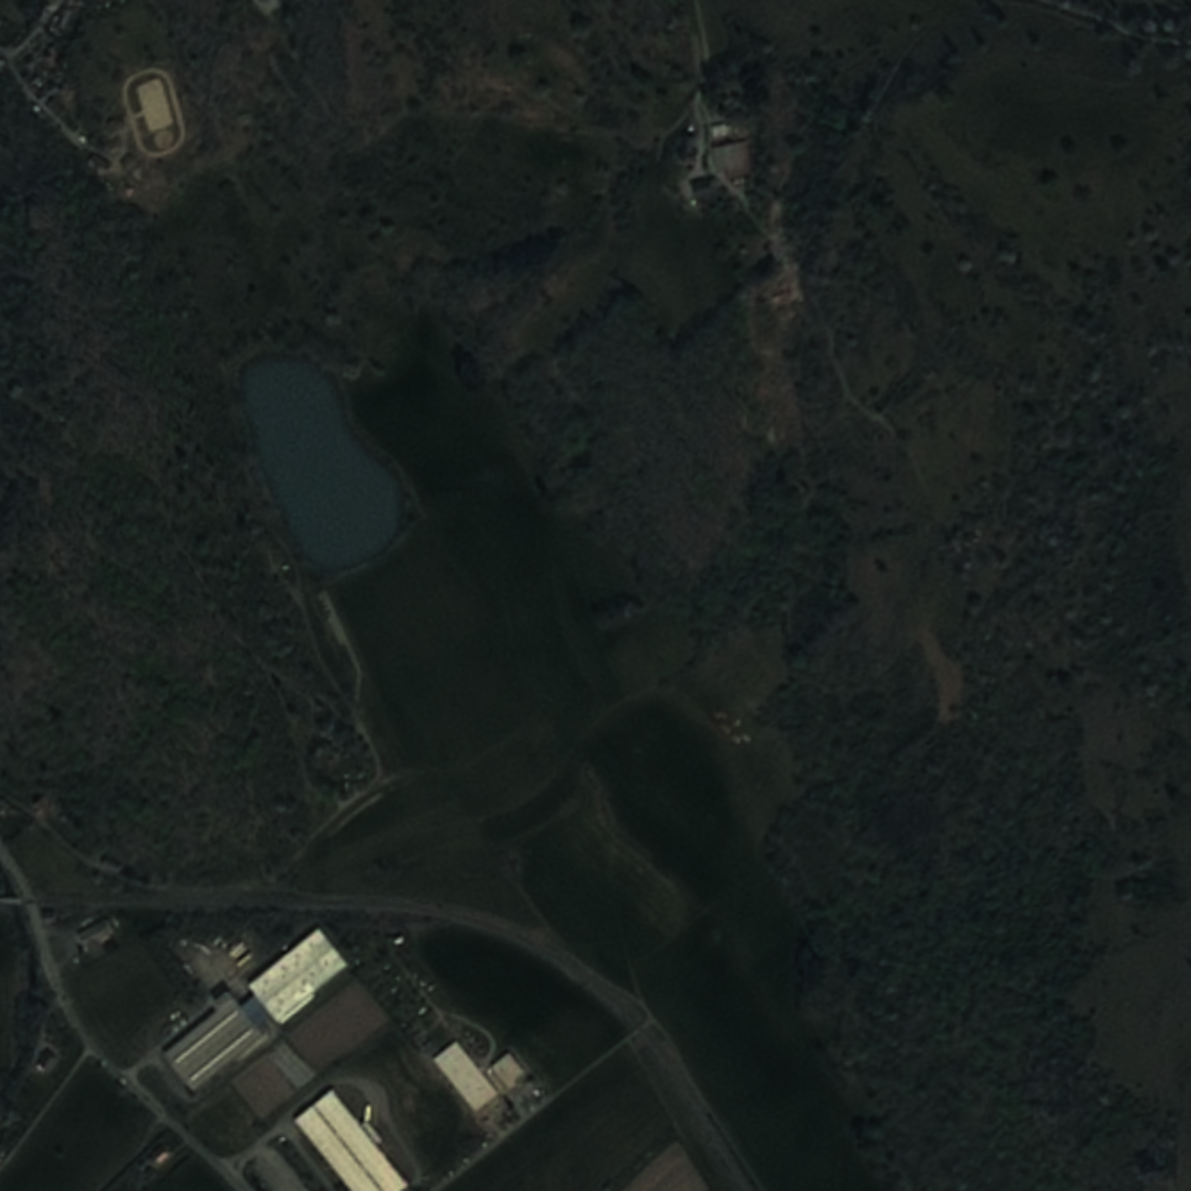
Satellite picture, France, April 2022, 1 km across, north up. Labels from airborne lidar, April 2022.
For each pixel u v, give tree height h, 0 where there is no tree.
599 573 0
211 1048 0
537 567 0
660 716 0
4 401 7
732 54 7
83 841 11
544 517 0
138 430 6
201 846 15
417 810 0
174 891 9
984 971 10
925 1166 14
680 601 17
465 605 0
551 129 0
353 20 10
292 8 6
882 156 0
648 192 0
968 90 0
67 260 6
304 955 0
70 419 12
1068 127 0
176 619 12
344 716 8
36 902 0
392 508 0
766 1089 0
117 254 20
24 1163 0
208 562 15
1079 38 0
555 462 18
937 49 0
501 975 0
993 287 0
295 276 0
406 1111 0
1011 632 15
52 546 15
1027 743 12
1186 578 0
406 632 0
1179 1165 0
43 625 10
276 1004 0
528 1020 0
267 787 8
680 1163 0
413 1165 0
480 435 0
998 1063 9
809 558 8
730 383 15
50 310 10
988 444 0
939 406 0
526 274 27
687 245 0
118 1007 0
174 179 8
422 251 0
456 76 0
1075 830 8
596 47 8
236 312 0
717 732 0
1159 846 0
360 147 7
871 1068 10
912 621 0
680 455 23
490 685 0
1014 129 0
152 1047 0
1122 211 0
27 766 8
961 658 10
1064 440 14
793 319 0
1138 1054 0
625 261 0
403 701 0
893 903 11
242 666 10
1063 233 0
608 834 0
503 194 0
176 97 0
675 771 0
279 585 10
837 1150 0
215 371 10
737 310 11
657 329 12
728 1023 0
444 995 0
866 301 11
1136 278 10
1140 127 0
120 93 0
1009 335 0
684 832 0
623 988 0
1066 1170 11
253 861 6
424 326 0
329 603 0
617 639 0
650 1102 0
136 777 12
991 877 14
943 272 0
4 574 8
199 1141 0
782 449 0
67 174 11
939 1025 11
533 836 0
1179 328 0
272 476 0
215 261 0
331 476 0
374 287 0
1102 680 0
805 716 7
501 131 0
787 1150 0
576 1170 0
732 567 17
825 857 8
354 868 0
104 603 6
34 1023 18
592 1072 0
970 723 8
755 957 0
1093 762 0
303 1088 0
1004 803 22
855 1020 10
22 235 10
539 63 0
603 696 0
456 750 0
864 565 0
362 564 0
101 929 0
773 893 0
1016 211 0
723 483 13
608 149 0
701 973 0
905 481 0
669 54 6
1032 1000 11
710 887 0
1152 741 0
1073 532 13
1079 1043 6
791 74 9
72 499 12
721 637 7
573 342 12
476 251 6
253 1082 0
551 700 0
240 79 10
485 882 0
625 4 11
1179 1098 0
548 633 0
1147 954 0
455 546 0
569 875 0
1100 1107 10
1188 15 7
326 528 0
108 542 13
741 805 0
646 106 12
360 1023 0
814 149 0
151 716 10
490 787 0
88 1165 0
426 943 0
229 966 0
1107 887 0
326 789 17
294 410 0
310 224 0
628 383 22
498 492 0
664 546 21
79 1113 0
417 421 0
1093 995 0
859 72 0
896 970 14
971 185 0
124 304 12
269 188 0
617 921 0
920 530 0
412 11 0
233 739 10
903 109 0
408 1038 9
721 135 0
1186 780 0
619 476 19
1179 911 0
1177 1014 0
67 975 0
